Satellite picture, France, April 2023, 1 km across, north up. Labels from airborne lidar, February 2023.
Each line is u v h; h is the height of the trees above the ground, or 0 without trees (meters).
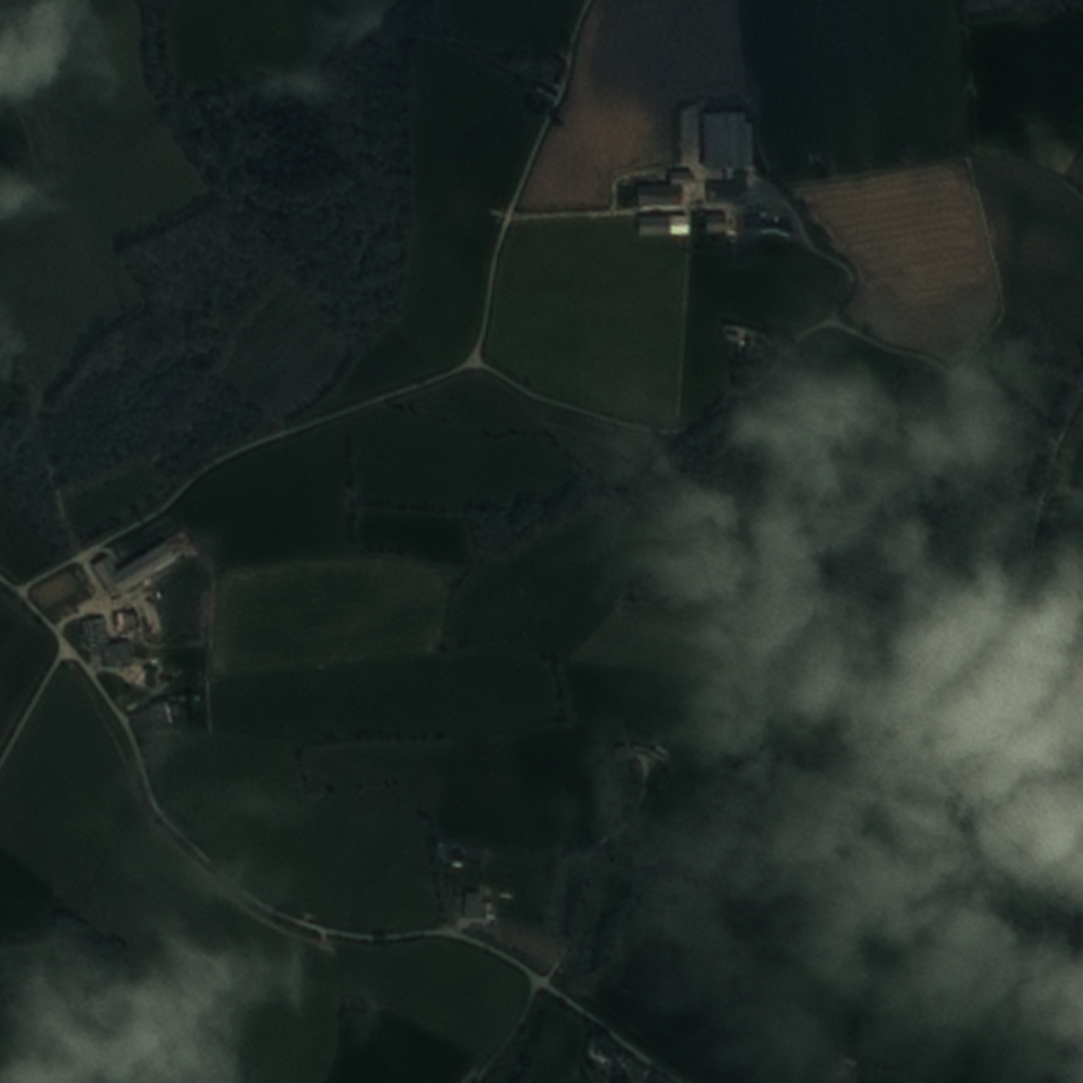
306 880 0
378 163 9
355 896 0
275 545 0
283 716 0
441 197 0
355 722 0
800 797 0
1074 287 0
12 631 0
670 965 0
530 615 0
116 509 0
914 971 0
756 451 8
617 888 0
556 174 0
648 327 0
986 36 0
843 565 15
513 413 0
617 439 0
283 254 14
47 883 0
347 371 9
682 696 0
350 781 0
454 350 0
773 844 14
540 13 0
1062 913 16
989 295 0
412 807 0
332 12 0
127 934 0
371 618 0
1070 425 12
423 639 0
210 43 0
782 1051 0
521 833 0
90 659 0
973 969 0
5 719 0
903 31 0
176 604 0
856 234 0
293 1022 0
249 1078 0
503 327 0
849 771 16
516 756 0
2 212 0
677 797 0
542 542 0
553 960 0
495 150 0
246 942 0
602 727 0
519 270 0
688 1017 0
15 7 0
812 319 0
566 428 0
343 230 14
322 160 25
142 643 0
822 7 0
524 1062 6
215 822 0
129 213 0
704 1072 0
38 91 0
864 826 0
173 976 0
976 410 9
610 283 0
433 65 0
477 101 0
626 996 0
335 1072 0
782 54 0
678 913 0
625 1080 9
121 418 9
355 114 19
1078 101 0
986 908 28
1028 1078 0
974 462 7
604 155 0
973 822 19
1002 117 0
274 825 0
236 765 0
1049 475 12
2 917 0
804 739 0
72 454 10
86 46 0
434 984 0
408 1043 0
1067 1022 8
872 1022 0
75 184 0
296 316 0
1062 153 0
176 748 0
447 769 0
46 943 9
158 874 0
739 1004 0
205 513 0
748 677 0
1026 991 0
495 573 0
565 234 0
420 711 0
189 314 18
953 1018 0
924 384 0
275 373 0
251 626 0
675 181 0
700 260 0
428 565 0
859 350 0
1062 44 0
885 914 0
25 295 0
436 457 0
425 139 0
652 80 0
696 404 0
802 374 12
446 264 0
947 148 0
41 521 9
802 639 14
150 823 0
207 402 11
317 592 0
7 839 0
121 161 0
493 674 0
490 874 0
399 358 0
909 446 8
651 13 0
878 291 0
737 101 0
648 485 15
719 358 0
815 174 0
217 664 0
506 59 6
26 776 0
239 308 15
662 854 6
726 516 13
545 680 0
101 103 0
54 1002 17
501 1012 0
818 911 0
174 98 15
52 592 0
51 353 0
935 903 0
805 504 0
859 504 15
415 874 0
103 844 0
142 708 0
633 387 0
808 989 0
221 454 9
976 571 9
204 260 23
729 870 15
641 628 0
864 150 0
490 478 0
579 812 0
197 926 0
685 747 0
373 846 0
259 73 0
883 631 17
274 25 0
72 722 0
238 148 9
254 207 20
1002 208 0
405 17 17
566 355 0
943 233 0
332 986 0
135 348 14
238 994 0
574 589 0
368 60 16
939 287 0
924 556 16
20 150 0
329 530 0
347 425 0
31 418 8
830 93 0
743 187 0
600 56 0
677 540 14
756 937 0
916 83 0
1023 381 0
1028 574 24
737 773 9
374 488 0
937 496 19
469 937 0
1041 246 0
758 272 0
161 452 11
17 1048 0
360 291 11
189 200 0
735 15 0
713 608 12
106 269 0
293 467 0
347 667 0
